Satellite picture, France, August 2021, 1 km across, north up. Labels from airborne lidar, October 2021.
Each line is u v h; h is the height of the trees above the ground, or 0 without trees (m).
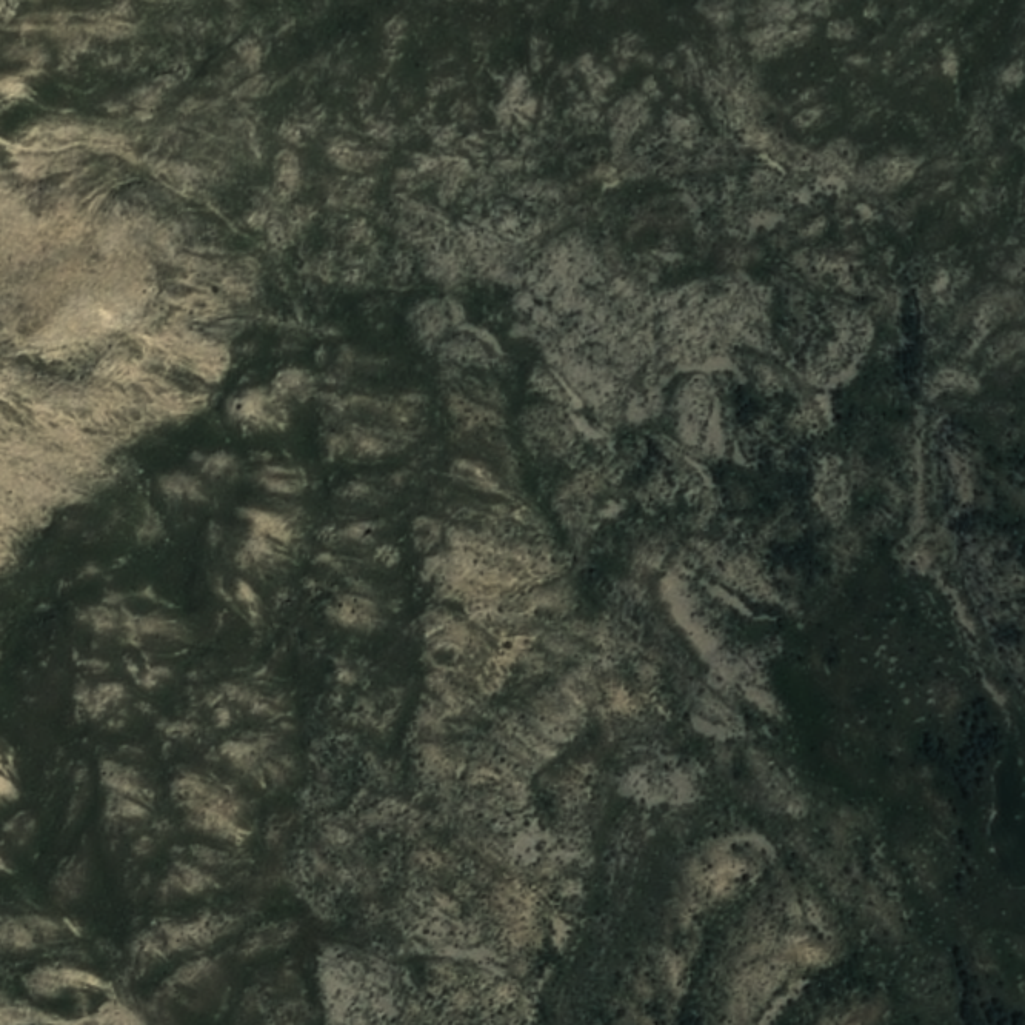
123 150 0
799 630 0
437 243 0
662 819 0
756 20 0
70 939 0
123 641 0
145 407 0
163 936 0
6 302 0
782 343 0
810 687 0
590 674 0
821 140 0
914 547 0
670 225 0
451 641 0
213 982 0
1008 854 0
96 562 0
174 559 0
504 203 0
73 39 0
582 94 0
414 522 0
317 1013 0
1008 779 0
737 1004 0
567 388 0
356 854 0
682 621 0
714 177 0
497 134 0
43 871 0
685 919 0
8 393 0
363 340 0
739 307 0
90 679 0
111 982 0
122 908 0
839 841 0
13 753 0
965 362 0
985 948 0
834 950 0
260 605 0
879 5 0
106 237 0
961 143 0
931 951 0
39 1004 0
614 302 0
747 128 0
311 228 0
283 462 0
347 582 0
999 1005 14
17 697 0
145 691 0
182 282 0
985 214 0
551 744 0
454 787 0
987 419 0
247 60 0
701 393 0
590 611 0
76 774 0
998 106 0
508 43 0
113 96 0
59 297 0
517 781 0
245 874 0
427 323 0
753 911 0
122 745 0
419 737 0
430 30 0
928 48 0
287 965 0
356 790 0
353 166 0
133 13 0
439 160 0
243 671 0
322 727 0
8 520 0
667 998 0
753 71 0
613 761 0
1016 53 0
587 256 0
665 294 0
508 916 0
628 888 0
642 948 0
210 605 0
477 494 0
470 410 0
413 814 0
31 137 0
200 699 0
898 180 0
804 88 0
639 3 0
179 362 0
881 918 0
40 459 0
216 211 0
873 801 0
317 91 0
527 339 0
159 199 0
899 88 0
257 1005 0
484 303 0
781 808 0
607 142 0
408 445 0
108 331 0
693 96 0
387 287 0
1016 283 0
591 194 0
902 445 0
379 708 0
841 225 0
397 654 0
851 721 0
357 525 0
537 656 0
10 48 0
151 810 0
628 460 0
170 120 0
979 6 0
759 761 0
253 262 0
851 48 0
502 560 0
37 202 0
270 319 0
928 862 0
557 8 0
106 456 0
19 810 0
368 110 0
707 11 0
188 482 0
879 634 0
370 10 0
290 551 0
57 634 0
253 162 0
